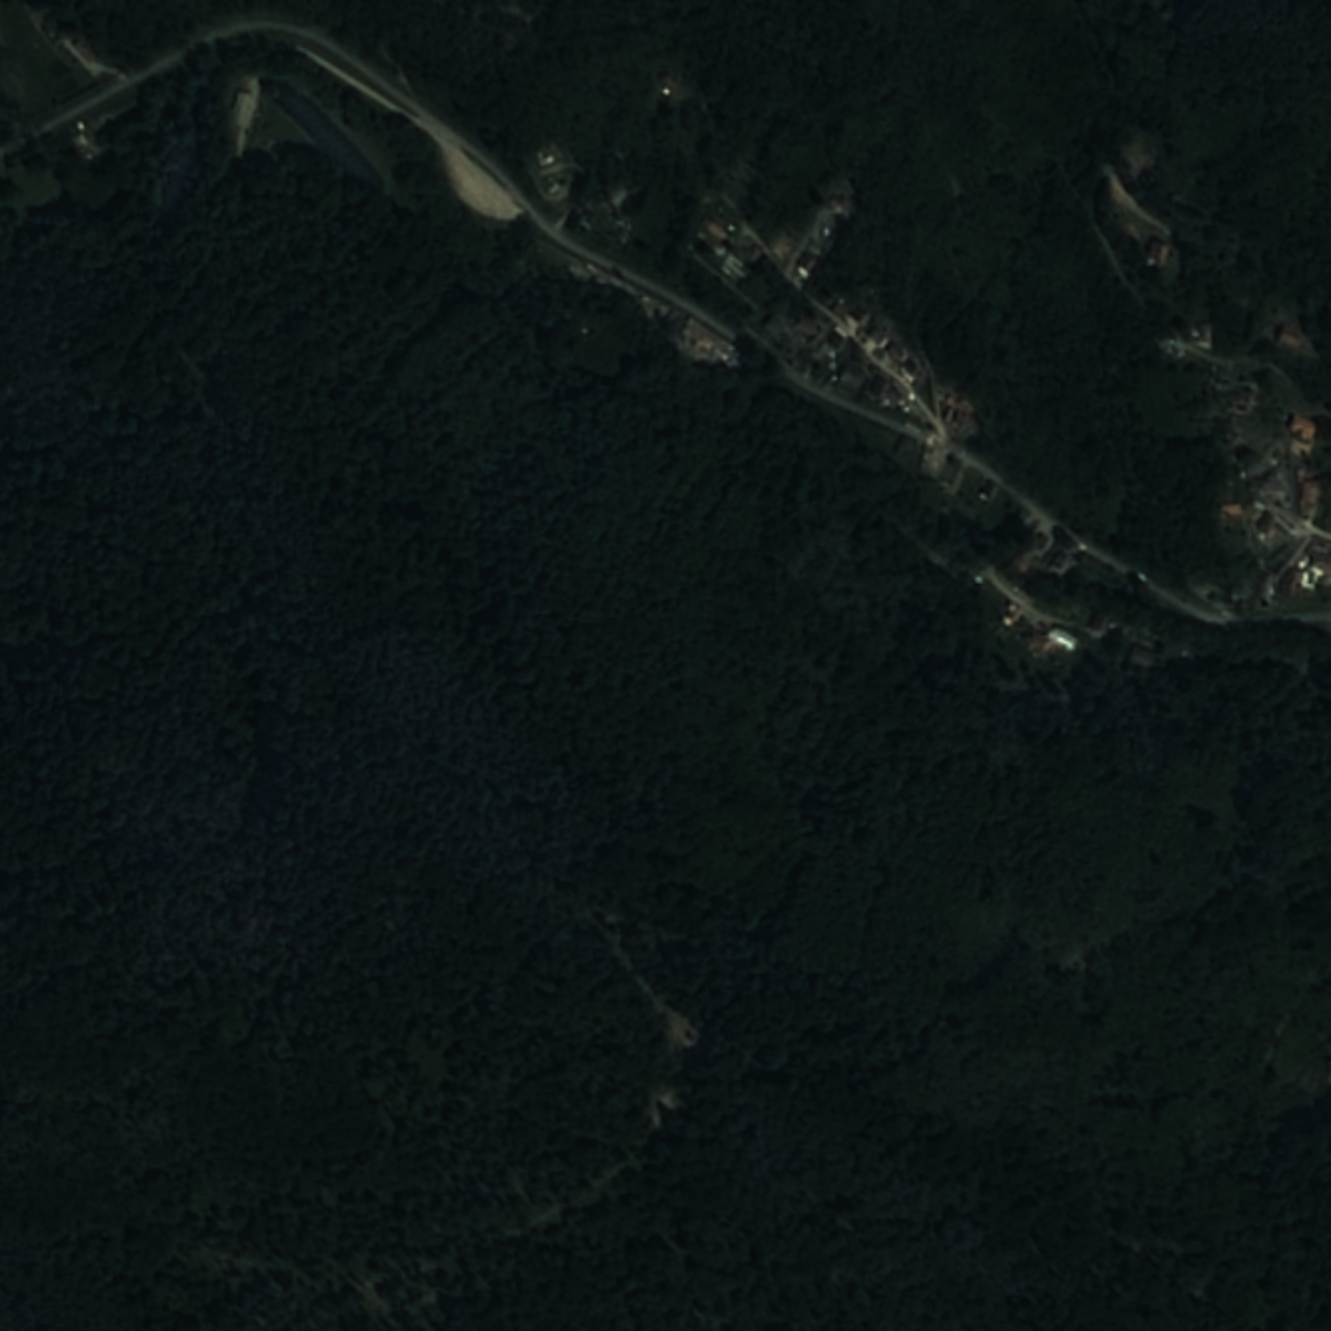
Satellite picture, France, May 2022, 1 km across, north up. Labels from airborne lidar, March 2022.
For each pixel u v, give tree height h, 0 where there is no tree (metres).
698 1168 27
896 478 26
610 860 29
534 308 26
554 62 15
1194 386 0
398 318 15
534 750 24
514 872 28
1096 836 24
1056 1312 24
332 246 27
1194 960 22
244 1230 24
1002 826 19
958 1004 21
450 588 32
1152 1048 20
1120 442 13
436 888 26
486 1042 29
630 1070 30
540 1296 22
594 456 31
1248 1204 27
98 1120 24
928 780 25
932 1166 24
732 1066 30
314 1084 21
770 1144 29
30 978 8
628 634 29
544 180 0
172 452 34
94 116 0
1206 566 14
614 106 13
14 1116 21
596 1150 22
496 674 25
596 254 0
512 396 23
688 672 24
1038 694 19
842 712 26
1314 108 15
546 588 33
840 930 22
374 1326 31
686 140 0
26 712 20
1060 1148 26
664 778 27
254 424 21
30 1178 20
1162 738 29
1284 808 25
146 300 21
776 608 26
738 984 25
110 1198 24
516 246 16
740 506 23
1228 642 21
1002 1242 26
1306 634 17
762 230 0
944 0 9
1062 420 12
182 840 29
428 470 23
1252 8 27
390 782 26
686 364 22
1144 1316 27
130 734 37
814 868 26
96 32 16
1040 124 8
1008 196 16
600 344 0
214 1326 23
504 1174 22
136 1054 17
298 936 34
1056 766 27
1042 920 19
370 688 32
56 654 29
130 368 23
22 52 0
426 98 0
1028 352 13
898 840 28
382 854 31
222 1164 23
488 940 31
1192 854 22
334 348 27
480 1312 25
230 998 8
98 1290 14
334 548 19
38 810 21
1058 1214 24
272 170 22
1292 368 11
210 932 30
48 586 32
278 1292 30
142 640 34
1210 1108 23
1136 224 0
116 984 27
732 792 24
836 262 13
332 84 8
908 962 23
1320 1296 23
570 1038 29
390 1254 25
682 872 28
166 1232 23
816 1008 28
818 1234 26
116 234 17
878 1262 28
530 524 28
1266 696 22
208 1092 21
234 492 30
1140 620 21
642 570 27
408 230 27
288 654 30
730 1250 25
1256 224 19
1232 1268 18
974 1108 25
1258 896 21
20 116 24
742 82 28
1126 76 26
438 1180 11
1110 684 22
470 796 35
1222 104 19
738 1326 27
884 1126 28
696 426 19
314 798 32
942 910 20
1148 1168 26
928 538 9
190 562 31
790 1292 27
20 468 37
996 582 0
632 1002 29
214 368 27
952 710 24
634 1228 11
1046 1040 27
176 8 20
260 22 0
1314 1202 19
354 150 0
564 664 28
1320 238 18
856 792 26
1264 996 22
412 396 20
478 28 12
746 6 12
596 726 33
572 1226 9
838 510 12
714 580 26
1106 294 16
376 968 28
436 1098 10
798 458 23
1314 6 20
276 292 13
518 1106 6
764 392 21
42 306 23
